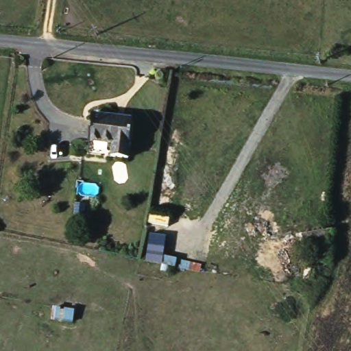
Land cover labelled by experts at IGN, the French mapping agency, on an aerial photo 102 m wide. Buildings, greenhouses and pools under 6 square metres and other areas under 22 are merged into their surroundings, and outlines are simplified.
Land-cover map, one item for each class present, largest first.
<instances>
[{"label":"herbaceous vegetation","instance_id":"1","mask_svg":"<svg viewBox=\"0 0 351 351\"><path fill-rule=\"evenodd\" d=\"M48 0H0V36L7 34L38 37L43 34ZM53 36L60 40L82 43L125 45L314 66L317 60L329 55L336 44L351 45V0H55ZM192 69L197 71L232 75V80H206L199 75L188 74L186 81L171 78L169 88H160L159 82L147 78V82L129 100L128 106L134 108L130 114V132L121 134L119 152L128 155L126 158L107 156L104 163H77L71 160L56 162L55 159H51V155L58 158L69 155L71 143L62 140L59 130L49 129V119L38 107V100H30L33 92L29 80V55L19 53L18 49L3 48L0 45V351H351V211L346 218L350 228L347 256L337 265L335 281L324 302L318 306L314 300L319 289L324 287L325 278L315 277L310 271L307 277L288 274L284 280L276 281L270 269L256 262L259 244L263 243L258 225L266 226L267 222L259 211H271L278 229L285 234L303 232L313 226L324 225L329 221L328 206L335 170L340 95L343 92H351V82L303 78L291 86L281 106L274 112L265 134L256 145L243 171L234 184L228 200L223 202L217 219L211 225V230L217 233L211 239L207 258L199 263V271L180 267L174 265L167 267L166 270H160L158 263L148 262L147 259L140 263L136 262L134 256L96 250V240L107 232L118 243L141 241L144 244L149 215L155 214L151 204L159 200L171 134L178 130L184 144L178 145L174 152L177 159L170 171L171 180L174 182V196L169 203L185 207L181 218L204 217L234 165L256 122L261 118L271 96L280 85L281 77L256 71L193 66ZM117 162L125 163L128 170V180L122 184L115 181L112 174V166ZM276 163H280L288 170V177L282 178L278 185H266L263 174L269 173ZM19 171H29L32 175L30 185L40 193V199L19 202V195L12 192V186L19 181ZM77 180L92 182L99 186V193L86 199L78 213L85 218L90 240L93 241L86 243L84 247L70 244L64 234L66 223L74 214L75 196L78 195L75 189ZM52 306L73 308V319H53ZM325 67L351 70V55L329 59ZM45 92L52 103L67 114L81 117L84 107L90 101L123 95L132 88L137 77L136 71L128 67L97 64L92 66L88 63H70L62 60H56L51 67L41 66ZM350 140L343 181V197L351 207V119L348 125Z\"/></svg>","mask_w":351,"mask_h":351},{"label":"impervious surface","instance_id":"2","mask_svg":"<svg viewBox=\"0 0 351 351\"><path fill-rule=\"evenodd\" d=\"M0 45L3 48L18 49L19 53L29 55V80L33 92L30 100H38V107L49 119V129L59 130L62 140L71 143L75 138L82 140L81 137L88 130L89 117H81L67 114L52 103L45 92L41 66L51 67L56 60H62L70 63H88L92 66L97 64L128 67L136 71L137 77L147 78L159 82L163 77V67L178 64L193 66L256 71L281 77L280 85L271 96L261 118L256 122L234 165L243 171L256 145L265 134L274 112L281 106L291 86L303 78L351 82V70L325 67L314 66L125 45L82 43L60 40L53 36L51 40H45L43 34L38 37L7 34L0 36ZM107 156L126 158L128 155L119 152L115 154L108 151L107 141L96 140L93 143L92 151L86 152L85 156L69 155L58 158L51 155V159H55L56 162L71 160L77 163H104ZM112 174L115 181L122 184L128 180V170L125 163L117 162L112 166Z\"/></svg>","mask_w":351,"mask_h":351},{"label":"pervious surface","instance_id":"3","mask_svg":"<svg viewBox=\"0 0 351 351\"><path fill-rule=\"evenodd\" d=\"M55 0H48L43 34L45 40H51L53 36ZM147 82V78L137 77L132 88L123 95L90 101L84 107L81 117H89L92 108L99 111L103 104L128 106L129 100ZM184 144L178 130L171 134L159 200L160 203H169L174 196V182L171 180L170 171L177 159L174 152L178 145ZM288 170L280 163H276L269 173L263 174L266 185H278L282 178L288 177ZM243 171L234 165L204 217L181 218L178 222H169L163 228L169 230L165 236L163 251L166 255L175 256L174 265L180 267L181 261L199 263L207 258L211 239L217 233L211 230V225L217 219L223 202L228 200L234 184ZM267 222L266 226L258 225L263 243L259 244L256 262L270 269L276 281L284 280L288 274L307 277L310 271V269L308 267L302 270L289 262L288 248L292 247L293 241L304 236L335 234V229L324 228V225L313 226L303 232L285 234L278 229L271 211H259Z\"/></svg>","mask_w":351,"mask_h":351},{"label":"brushwood","instance_id":"4","mask_svg":"<svg viewBox=\"0 0 351 351\"><path fill-rule=\"evenodd\" d=\"M351 55V45L336 44L329 55L317 60L314 66L325 67L329 59ZM193 66L178 64L163 67V77L159 82L160 88H169L171 78L186 81L188 74L199 75L206 80H232V75L197 71L192 69ZM335 170L328 206L329 221L324 225V228L335 229V234L333 262L328 266L318 263L310 269V271L315 277L325 278L324 287L319 289L314 300L318 306L324 302L335 281L337 265L347 256L350 228L346 218L351 211V207L343 197V181L350 140L348 125L351 119V92H343L340 95ZM93 143L82 140L75 138L71 143L69 155L85 156L86 152L92 151ZM155 214L169 217V222H178L181 218L185 207L169 203H160L159 200L151 204ZM96 250L134 256L136 262L140 263L147 259L141 254L144 244L141 241L118 243L107 232L96 240Z\"/></svg>","mask_w":351,"mask_h":351},{"label":"building","instance_id":"5","mask_svg":"<svg viewBox=\"0 0 351 351\"><path fill-rule=\"evenodd\" d=\"M134 108L128 106L103 104L99 111L92 108L89 117L88 130L81 137L82 140L93 143L96 140L107 141L108 151L115 154L119 152L121 134L130 132V114ZM86 199L78 195L75 196L74 214L78 213ZM169 222V217L155 214L149 215L144 244L141 254L147 259L148 262L158 263L160 270H166L167 267L174 265L175 256L166 255L163 251L165 236L169 230L163 228ZM199 271V263L181 261L180 267ZM73 308L52 306L53 319H73Z\"/></svg>","mask_w":351,"mask_h":351},{"label":"deciduous trees","instance_id":"6","mask_svg":"<svg viewBox=\"0 0 351 351\"><path fill-rule=\"evenodd\" d=\"M32 175L29 171H19V181L12 186V192L19 195V202L40 199V193L30 185ZM64 234L70 244L84 247L86 243L93 241L90 240L85 218L78 213L74 214L66 223ZM335 234L304 236L293 241L292 247L288 248L289 262L302 270L308 267L310 269L318 263L328 266L333 262Z\"/></svg>","mask_w":351,"mask_h":351},{"label":"swimming pool","instance_id":"7","mask_svg":"<svg viewBox=\"0 0 351 351\"><path fill-rule=\"evenodd\" d=\"M75 189L78 195L86 199L99 193V186L92 182L77 180Z\"/></svg>","mask_w":351,"mask_h":351}]
</instances>
